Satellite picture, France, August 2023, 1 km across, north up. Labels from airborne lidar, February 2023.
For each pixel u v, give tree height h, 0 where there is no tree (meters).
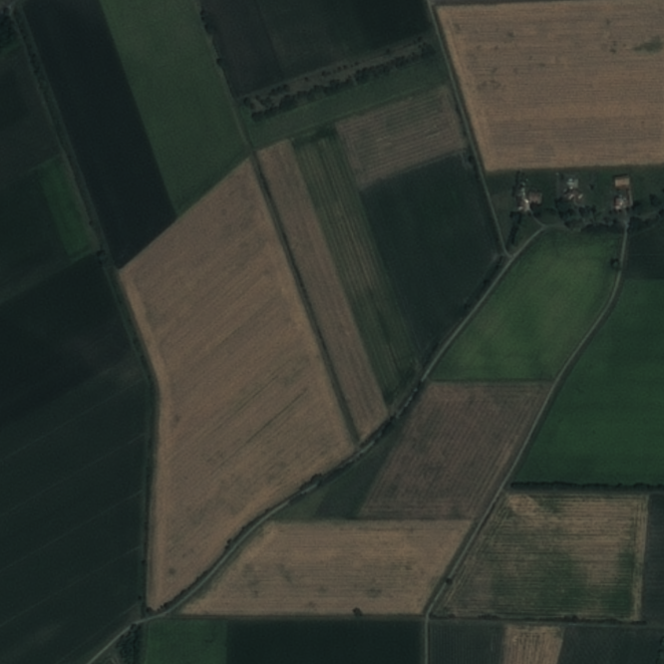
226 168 0
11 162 0
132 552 0
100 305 0
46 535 0
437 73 0
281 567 0
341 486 0
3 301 0
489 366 0
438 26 0
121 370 0
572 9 0
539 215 7
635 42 0
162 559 0
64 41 0
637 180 0
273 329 0
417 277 0
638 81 0
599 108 0
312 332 0
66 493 0
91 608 0
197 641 0
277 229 0
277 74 0
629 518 0
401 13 0
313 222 0
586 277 0
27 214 0
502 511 0
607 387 0
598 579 0
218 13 0
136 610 0
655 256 0
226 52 0
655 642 0
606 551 0
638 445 0
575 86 0
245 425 0
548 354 0
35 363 0
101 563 0
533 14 0
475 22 0
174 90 0
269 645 0
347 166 0
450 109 0
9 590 0
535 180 0
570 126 0
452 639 0
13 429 0
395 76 0
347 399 0
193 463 0
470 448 0
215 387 0
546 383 0
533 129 0
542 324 0
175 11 0
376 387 0
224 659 0
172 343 0
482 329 0
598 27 0
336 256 0
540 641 0
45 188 0
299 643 0
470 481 0
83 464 0
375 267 0
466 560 0
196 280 0
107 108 0
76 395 0
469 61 0
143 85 0
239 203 0
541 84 0
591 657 0
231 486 0
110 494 0
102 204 0
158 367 0
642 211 18
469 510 0
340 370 0
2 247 0
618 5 0
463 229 0
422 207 0
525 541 0
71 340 0
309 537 0
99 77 0
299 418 0
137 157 0
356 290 0
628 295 0
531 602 0
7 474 0
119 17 0
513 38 0
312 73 0
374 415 0
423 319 0
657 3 0
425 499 0
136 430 0
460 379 0
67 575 0
